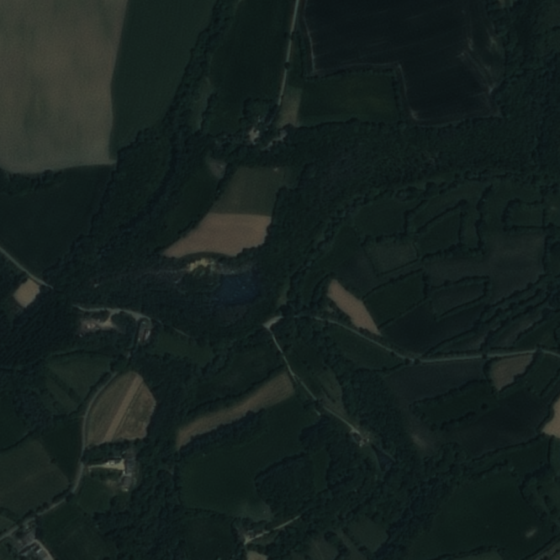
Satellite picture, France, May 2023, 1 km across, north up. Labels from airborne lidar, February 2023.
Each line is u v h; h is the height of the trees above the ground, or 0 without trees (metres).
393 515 9
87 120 0
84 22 0
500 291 0
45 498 0
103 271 12
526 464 0
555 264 0
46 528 0
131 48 0
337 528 16
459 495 0
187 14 0
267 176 0
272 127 10
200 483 0
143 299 9
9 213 0
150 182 20
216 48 10
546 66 8
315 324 13
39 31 0
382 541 0
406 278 6
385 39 0
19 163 0
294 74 0
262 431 8
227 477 0
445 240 0
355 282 0
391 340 0
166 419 13
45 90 0
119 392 0
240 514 0
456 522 0
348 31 0
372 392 18
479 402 0
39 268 0
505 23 21
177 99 10
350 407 18
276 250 19
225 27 11
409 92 0
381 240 14
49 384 0
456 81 0
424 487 20
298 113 0
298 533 22
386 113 0
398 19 0
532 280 0
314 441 18
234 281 0
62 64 0
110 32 0
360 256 0
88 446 0
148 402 0
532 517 0
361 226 0
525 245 0
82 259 15
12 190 13
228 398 8
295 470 17
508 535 0
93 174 0
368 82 0
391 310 0
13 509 0
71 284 13
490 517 0
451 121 0
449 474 9
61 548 0
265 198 0
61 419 15
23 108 0
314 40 0
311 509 13
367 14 0
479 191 0
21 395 26
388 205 0
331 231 11
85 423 0
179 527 14
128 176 16
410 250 0
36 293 0
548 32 9
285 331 17
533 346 0
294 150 17
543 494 8
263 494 11
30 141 0
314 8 0
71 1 0
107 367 0
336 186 19
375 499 19
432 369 0
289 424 0
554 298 15
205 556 0
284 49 0
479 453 0
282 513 12
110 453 7
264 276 10
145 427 0
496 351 9
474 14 0
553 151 15
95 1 0
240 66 0
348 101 0
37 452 0
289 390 0
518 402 0
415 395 0
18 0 0
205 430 0
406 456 18
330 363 16
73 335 15
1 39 0
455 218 0
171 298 14
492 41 0
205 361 0
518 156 17
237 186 0
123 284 11
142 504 6
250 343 18
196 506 0
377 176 14
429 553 0
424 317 0
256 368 0
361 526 0
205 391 0
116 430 0
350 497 15
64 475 0
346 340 0
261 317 10
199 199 0
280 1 0
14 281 20
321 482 0
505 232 12
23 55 0
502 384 0
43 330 14
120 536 19
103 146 0
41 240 0
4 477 0
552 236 9
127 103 0
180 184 16
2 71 0
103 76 0
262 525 7
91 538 0
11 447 6
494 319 8
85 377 0
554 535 11
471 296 0
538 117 15
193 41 0
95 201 0
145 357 18
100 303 12
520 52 21
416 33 0
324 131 16
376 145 11
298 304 16
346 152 19
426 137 17
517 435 0
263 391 0
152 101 0
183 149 13
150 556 9
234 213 0
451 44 0
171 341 0
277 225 10
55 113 0
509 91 22
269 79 0
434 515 16
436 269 0
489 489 0
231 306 8
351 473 16
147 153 17
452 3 0
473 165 16
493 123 16
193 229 8
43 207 0
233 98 0
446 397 8
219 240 0
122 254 19
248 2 0
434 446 0
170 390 10
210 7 0
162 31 0
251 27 0
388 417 17
